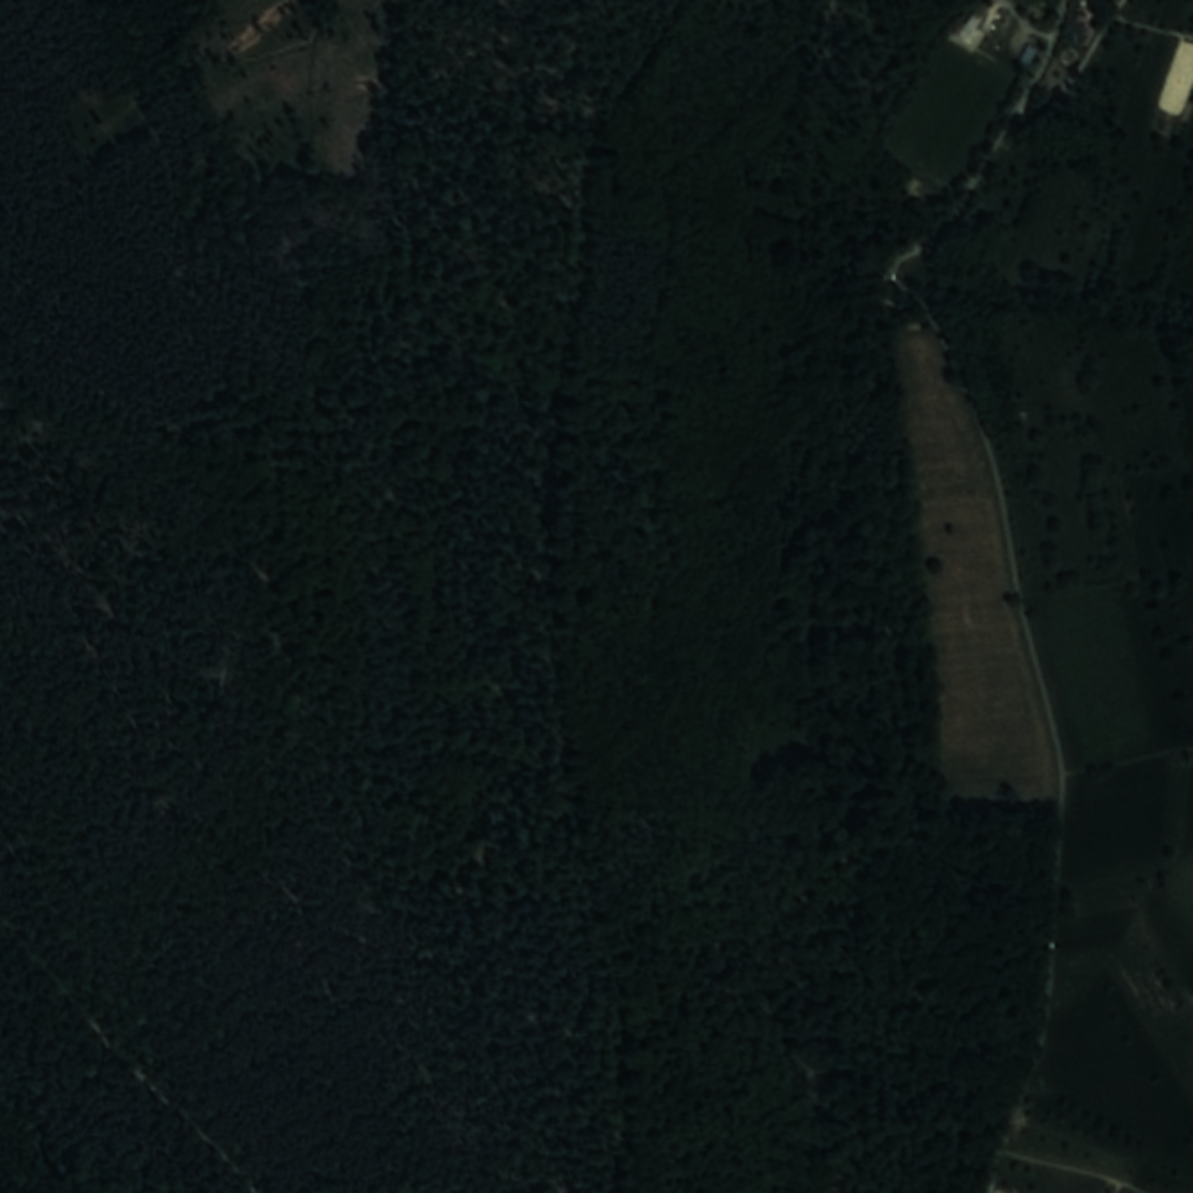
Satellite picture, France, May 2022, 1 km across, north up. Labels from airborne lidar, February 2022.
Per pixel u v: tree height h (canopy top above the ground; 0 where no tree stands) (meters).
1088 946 0
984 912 25
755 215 22
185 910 19
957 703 0
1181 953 0
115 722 26
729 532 24
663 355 17
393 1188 21
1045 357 0
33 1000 19
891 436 17
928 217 11
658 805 19
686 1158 20
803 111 22
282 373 23
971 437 0
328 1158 24
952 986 26
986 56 0
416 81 9
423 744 28
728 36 13
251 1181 14
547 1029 27
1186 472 0
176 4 18
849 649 30
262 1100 22
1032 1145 0
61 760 24
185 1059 22
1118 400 0
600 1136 18
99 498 22
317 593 22
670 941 22
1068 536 0
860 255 35
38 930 23
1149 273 0
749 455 24
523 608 26
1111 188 8
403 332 29
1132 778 0
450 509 32
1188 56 0
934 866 27
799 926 34
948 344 19
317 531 23
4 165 20
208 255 18
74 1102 25
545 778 20
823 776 30
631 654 20
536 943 34
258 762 24
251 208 22
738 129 16
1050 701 0
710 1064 28
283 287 25
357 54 0
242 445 16
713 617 23
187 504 19
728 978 30
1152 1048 0
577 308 22
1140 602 0
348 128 0
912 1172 34
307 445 16
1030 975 25
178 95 19
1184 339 22
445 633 27
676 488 20
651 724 19
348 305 20
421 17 12
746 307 26
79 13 20
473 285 30
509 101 9
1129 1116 0
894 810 27
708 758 20
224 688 17
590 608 30
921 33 15
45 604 24
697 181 24
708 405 24
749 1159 23
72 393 23
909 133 0
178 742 20
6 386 14
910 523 24
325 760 13
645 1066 26
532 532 19
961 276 21
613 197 17
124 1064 23
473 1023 27
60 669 24
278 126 0
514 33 19
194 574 15
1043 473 14
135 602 24
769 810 27
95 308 23
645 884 20
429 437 29
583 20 26
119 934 25
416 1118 20
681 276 18
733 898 27
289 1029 20
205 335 27
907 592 26
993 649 0
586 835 29
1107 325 9
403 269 9
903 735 28
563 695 19
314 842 22
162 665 24
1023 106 0
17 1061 29
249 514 13
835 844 33
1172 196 0
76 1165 29
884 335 22
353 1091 22
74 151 20
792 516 26
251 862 20
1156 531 0
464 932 28
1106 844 0
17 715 24
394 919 22
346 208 19
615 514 30
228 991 20
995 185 11
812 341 25
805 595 29
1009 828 27
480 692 28
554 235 27
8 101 23
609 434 26
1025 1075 20
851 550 31
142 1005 19
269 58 0
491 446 22
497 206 32
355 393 21
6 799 26
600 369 27
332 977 21
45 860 24
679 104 17
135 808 24
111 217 23
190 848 25
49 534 26
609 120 20
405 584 26
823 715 34
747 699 28
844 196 30
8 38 18
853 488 30
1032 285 10
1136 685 0
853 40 24
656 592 25
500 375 27
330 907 20
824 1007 25
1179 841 0
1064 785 0
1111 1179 0
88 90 10
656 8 25
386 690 28
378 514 23
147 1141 28
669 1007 26
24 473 26
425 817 31
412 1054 24
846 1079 27
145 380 23
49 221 22
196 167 7
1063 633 0
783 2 13
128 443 18
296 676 23
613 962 22
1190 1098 0
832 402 22
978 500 0
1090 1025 0
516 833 27
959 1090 24
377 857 23
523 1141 24
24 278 22
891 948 25
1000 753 0
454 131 29
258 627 19
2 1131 15
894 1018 21
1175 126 0
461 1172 18
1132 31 11
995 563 0
